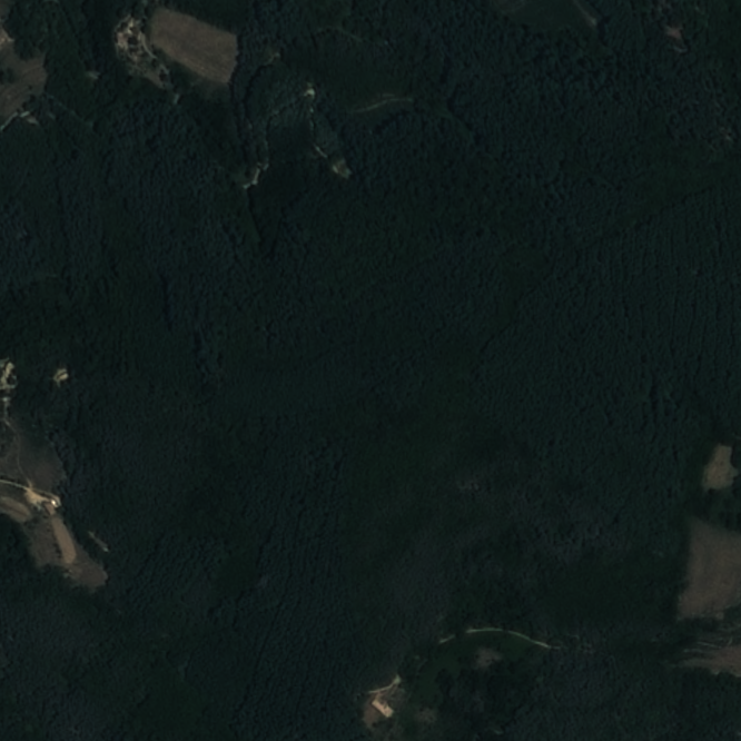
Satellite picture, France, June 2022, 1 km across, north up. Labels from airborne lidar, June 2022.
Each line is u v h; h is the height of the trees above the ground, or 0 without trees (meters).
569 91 35
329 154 12
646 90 23
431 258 16
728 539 0
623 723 13
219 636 22
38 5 10
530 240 16
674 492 31
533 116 20
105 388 18
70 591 12
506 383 24
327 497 25
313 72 12
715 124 24
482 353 17
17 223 31
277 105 11
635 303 27
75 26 14
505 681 14
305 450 28
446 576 15
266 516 27
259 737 23
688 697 15
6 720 15
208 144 27
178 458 16
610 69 19
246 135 11
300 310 26
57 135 9
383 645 16
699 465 20
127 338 19
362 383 21
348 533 17
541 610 18
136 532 16
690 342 27
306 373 23
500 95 17
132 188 33
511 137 26
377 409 16
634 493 28
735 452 15
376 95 11
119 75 28
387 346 21
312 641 31
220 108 13
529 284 18
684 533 21
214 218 25
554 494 16
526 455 16
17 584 20
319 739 28
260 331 27
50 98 13
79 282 28
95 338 13
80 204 33
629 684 18
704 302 25
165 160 26
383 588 14
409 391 23
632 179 26
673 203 17
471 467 16
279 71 17
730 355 25
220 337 21
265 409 21
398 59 12
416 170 22
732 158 11
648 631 12
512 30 24
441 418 13
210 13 11
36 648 17
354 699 16
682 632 11
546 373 28
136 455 18
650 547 19
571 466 20
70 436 13
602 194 27
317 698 26
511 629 14
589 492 28
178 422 14
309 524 23
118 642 19
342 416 20
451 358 22
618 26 30
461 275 28
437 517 14
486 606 10
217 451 19
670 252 24
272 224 13
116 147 36
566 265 26
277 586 30
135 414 14
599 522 21
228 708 11
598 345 31
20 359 13
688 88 21
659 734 16
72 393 13
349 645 30
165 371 7
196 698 14
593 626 15
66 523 8
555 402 28
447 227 21
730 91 18
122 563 16
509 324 13
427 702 6
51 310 8
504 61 30
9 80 11
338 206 20
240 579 13
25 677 17
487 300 25
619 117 22
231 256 31
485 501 17
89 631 19
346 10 14
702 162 11
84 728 19
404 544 15
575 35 16
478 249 30
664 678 18
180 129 36
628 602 10
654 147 16
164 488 17
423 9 28
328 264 26
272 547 31
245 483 27
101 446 15
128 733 18
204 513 22
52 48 10
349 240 18
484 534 19
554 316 26
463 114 29
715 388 26
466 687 10
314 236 19
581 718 13
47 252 23
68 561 0
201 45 0
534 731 14
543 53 21
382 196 25
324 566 27
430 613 15
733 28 16
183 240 25
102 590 7
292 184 9
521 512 19
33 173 15
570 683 19
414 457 16
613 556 11
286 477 28
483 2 26
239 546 19
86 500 19
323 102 13
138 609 24
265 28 31
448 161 19
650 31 24
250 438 15
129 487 15
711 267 24
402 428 14
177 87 10
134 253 23
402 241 19
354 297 19
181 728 15
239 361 24
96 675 15
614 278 27
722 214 17
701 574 0
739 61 13
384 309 17
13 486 7
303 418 23
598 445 29
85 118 17
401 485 15
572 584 18
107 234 25
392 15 19
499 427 24
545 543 21
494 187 21
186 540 25
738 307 23
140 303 8
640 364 30
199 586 16
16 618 16
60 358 17
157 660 16
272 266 19
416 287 20
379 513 11
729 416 24
